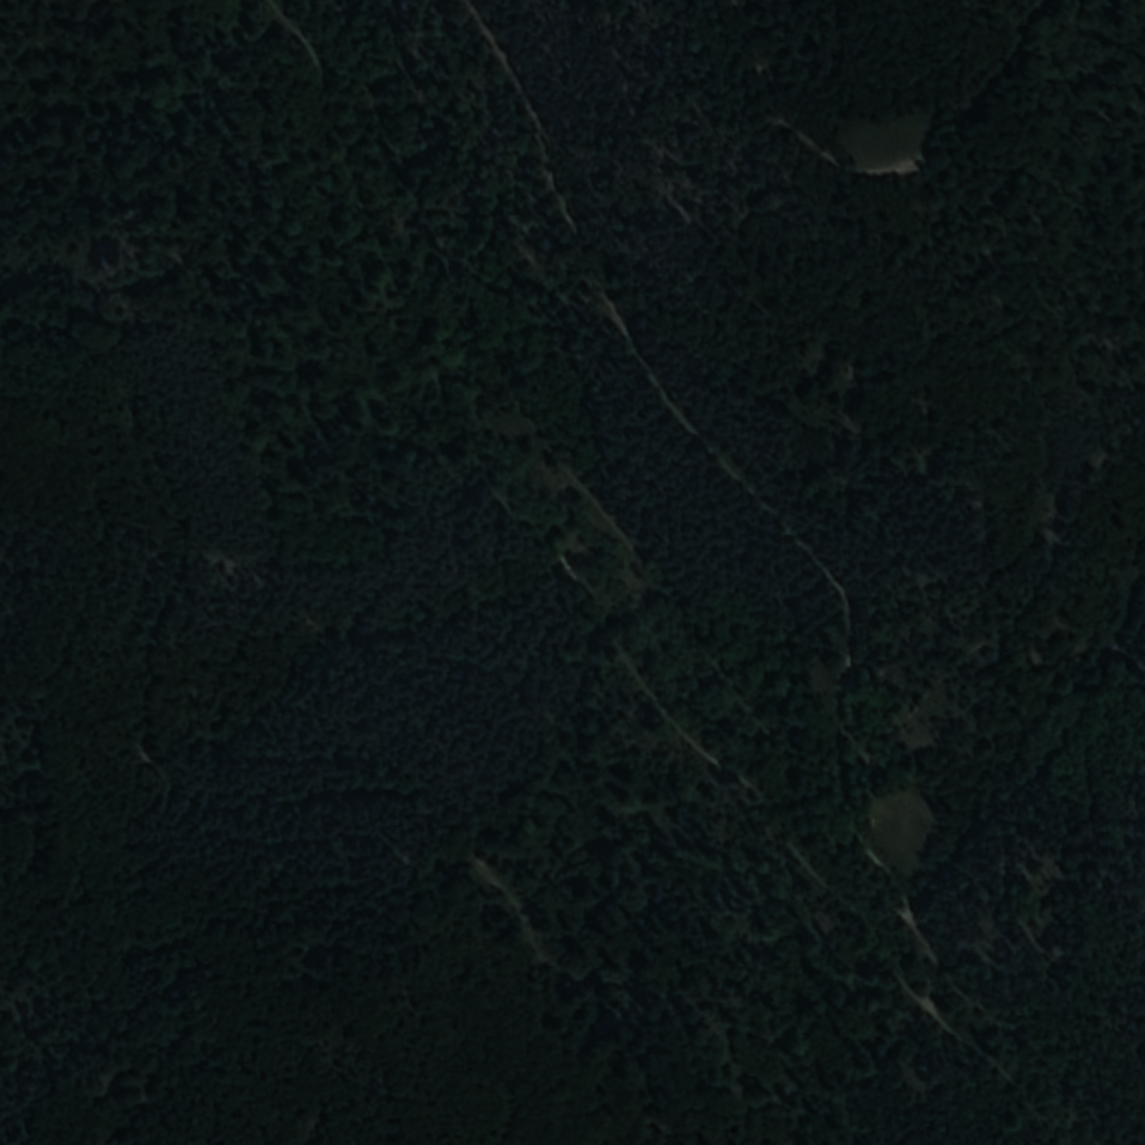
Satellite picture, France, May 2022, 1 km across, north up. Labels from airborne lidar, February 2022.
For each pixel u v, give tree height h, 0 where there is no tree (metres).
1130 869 34
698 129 28
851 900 19
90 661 23
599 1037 32
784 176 23
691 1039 31
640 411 35
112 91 22
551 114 29
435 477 34
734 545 34
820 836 20
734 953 8
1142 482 18
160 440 25
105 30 37
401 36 37
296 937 22
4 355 26
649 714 38
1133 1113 28
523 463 22
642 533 36
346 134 27
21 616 24
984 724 11
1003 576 17
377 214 19
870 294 21
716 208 24
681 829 37
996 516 16
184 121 35
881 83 22
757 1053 13
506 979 14
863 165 0
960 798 14
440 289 15
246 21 35
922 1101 8
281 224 30
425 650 40
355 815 38
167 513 24
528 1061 23
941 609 12
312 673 34
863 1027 10
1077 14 31
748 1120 18
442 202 26
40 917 24
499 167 36
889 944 13
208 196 8
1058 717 23
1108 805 32
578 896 34
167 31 36
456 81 38
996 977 26
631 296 29
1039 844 13
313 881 13
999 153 29
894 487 38
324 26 26
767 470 30
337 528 29
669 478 36
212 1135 22
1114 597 19
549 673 31
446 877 33
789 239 14
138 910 29
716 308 25
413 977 15
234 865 30
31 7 12
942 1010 29
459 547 36
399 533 40
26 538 24
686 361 28
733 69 23
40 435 18
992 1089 12
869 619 18
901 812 0
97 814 25
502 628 24
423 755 30
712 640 29
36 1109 25
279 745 30
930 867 14
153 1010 23
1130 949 29
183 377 24
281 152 7
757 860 30
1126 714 26
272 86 12
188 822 33
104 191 7
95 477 20
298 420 37
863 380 24
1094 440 9
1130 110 30
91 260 0
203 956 25
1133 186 35
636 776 10
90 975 22
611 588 25
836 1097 10
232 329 35
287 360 38
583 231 31
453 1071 20
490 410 18
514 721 35
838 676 0
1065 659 15
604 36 30
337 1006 25
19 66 36
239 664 26
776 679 33
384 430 24
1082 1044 28
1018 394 26
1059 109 27
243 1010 23
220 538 28
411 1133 20
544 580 27
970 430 33
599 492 30
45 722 22
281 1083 18
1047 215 31
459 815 30
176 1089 23
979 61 16
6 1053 19
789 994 8
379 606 40
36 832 8
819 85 21
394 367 6
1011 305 27
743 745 30
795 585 35
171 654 27
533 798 36
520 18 30
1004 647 13
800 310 17
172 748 29
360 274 9
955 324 19
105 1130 9
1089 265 32
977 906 29
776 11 30
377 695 41
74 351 19
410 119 26
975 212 19
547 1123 16
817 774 28
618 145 29
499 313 29
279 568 35
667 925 35
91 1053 24
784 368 25
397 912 26
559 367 25
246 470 20
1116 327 28
